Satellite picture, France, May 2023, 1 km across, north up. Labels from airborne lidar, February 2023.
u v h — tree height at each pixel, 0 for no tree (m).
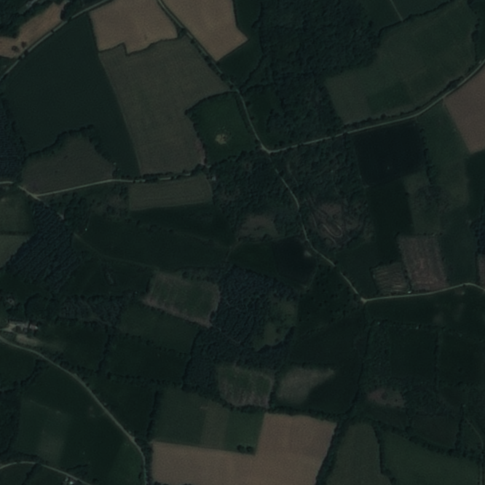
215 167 8
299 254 0
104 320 17
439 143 0
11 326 0
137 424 0
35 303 15
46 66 0
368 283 0
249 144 0
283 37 19
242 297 16
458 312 0
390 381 6
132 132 0
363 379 7
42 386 0
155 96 0
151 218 0
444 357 0
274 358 22
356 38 10
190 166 0
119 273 0
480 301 0
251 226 0
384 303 0
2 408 9
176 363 0
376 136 0
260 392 0
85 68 0
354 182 7
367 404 0
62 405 0
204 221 0
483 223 9
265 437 0
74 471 8
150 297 0
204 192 0
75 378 0
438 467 0
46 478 0
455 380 0
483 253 13
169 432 0
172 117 0
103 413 0
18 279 8
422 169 0
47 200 8
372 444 0
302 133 8
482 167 0
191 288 0
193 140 0
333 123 9
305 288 0
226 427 0
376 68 0
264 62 10
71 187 0
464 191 0
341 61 10
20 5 0
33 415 0
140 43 0
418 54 0
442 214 0
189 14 0
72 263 19
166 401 0
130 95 0
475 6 13
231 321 18
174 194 0
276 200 8
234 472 0
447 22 0
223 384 0
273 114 9
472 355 0
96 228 0
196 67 0
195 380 20
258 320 11
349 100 0
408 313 0
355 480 0
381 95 0
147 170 0
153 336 0
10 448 13
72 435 0
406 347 0
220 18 0
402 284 0
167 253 0
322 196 6
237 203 7
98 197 0
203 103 7
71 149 0
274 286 16
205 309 0
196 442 0
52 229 19
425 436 0
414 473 0
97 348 0
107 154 10
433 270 18
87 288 0
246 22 0
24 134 0
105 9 0
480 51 0
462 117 0
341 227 0
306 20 15
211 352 15
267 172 10
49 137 0
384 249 0
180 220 0
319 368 7
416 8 0
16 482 0
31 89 0
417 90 0
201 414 0
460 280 0
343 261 0
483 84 0
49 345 0
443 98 0
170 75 0
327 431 0
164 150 0
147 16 0
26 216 0
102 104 0
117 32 0
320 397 0
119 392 0
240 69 0
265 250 0
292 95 16
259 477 0
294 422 0
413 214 0
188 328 0
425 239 25
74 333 0
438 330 5
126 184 0
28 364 0
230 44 0
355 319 0
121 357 0
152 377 0
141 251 0
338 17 15
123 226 0
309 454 0
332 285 0
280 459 0
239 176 6
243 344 17
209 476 0
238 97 7
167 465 0
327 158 7
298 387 0
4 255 0
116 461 0
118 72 0
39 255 24
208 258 0
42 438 0
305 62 5
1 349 0
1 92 13
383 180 0
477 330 0
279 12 13
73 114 0
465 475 0
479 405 0
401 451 0
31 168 0
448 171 0
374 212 0
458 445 15
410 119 0
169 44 0
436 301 0
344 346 0
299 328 0
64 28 0
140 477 7
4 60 10
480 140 0
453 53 0
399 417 0
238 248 0
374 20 0
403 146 0
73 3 17
